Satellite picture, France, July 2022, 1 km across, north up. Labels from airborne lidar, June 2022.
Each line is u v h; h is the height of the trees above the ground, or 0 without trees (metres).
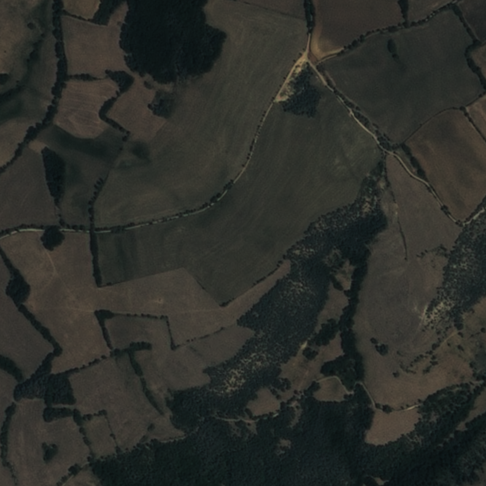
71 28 0
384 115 0
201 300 0
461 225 9
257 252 0
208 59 18
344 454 10
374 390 0
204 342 0
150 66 17
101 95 0
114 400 0
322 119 0
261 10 0
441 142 0
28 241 0
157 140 0
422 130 0
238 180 0
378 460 6
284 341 5
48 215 0
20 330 0
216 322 0
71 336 0
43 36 6
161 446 8
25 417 0
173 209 0
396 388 0
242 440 6
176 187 0
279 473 12
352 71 0
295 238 0
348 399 9
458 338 0
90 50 0
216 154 0
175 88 0
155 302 0
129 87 16
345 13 0
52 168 22
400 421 0
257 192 0
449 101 0
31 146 0
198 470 13
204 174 0
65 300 0
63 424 0
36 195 0
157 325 0
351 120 0
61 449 0
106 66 0
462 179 0
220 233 0
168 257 0
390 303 0
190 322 0
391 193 0
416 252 0
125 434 0
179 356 0
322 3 0
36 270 0
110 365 0
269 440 11
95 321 0
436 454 15
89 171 0
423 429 8
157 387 0
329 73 0
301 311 6
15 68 0
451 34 0
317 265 13
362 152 0
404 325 0
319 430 21
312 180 0
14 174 0
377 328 0
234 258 0
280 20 0
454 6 11
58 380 18
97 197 9
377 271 0
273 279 0
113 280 0
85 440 9
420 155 0
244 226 0
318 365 0
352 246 19
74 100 0
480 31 0
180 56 14
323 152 0
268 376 8
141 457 13
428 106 0
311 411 15
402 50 0
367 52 0
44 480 0
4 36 0
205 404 7
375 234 11
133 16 15
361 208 9
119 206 0
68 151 0
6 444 8
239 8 0
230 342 0
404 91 0
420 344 0
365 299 0
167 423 0
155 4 21
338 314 0
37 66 0
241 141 0
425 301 0
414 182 0
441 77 0
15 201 0
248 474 10
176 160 0
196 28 15
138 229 0
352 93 0
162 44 16
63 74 19
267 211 0
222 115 0
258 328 8
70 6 0
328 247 6
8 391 0
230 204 0
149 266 0
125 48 18
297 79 6
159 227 0
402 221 0
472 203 0
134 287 0
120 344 0
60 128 0
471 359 0
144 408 0
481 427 8
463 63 0
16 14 0
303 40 0
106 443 0
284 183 0
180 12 16
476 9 0
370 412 13
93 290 0
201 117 0
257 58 0
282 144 0
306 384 0
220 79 0
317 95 9
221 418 14
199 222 0
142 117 0
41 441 0
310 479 11
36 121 0
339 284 12
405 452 12
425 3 0
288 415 14
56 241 21
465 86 0
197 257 0
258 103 0
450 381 0
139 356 0
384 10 0
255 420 10
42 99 0
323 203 0
